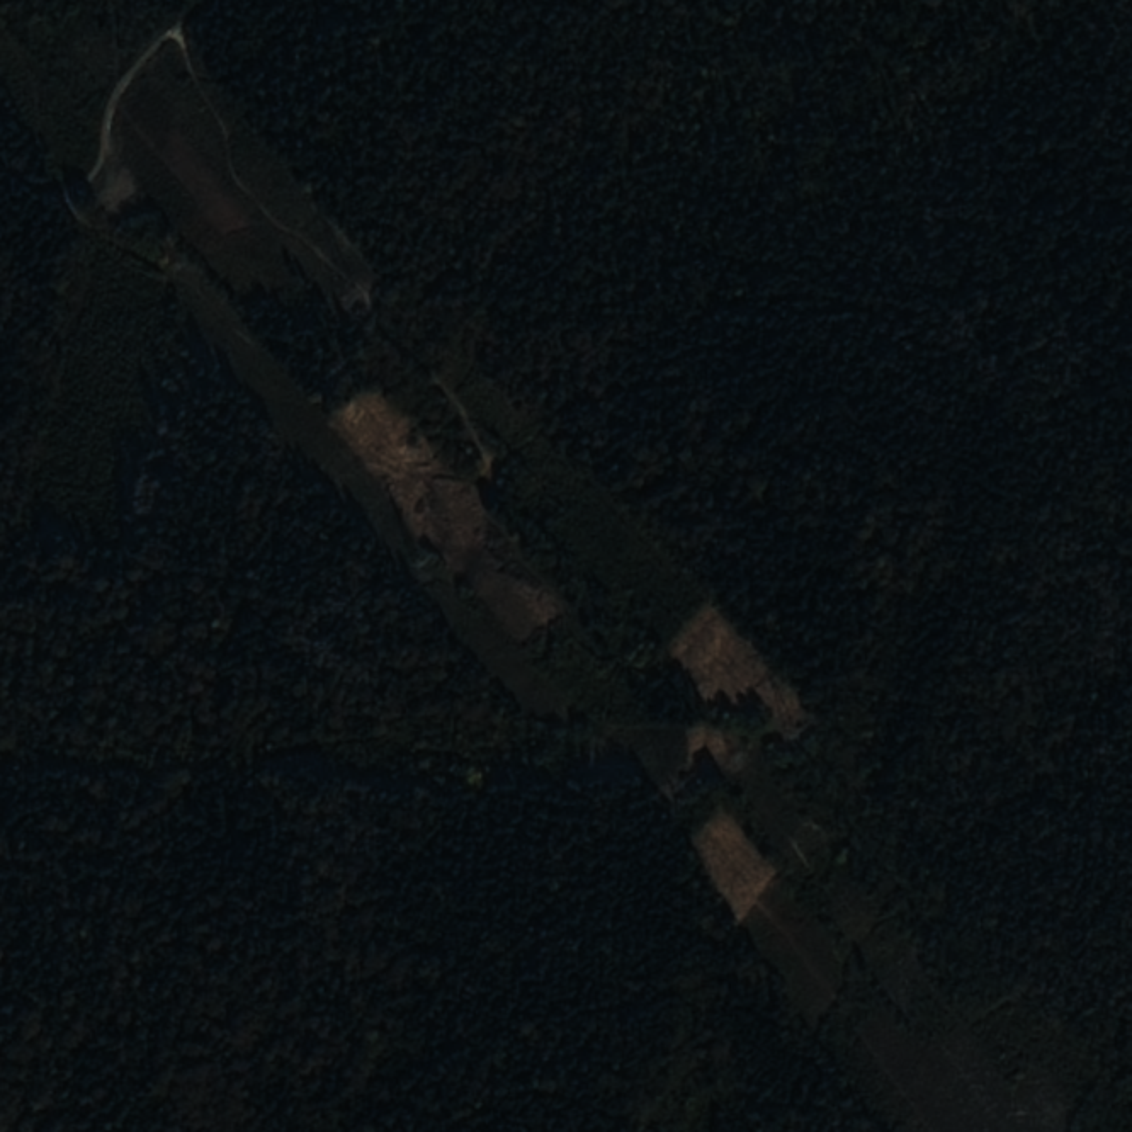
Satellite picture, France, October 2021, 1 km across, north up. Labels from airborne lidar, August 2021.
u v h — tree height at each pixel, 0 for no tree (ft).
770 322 83
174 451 83
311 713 61
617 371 84
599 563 22
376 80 59
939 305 97
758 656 32
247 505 70
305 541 80
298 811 87
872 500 84
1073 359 88
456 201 40
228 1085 62
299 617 65
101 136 0
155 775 45
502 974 92
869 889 22
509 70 54
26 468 22
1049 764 70
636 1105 81
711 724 22
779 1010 86
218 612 35
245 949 80
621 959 94
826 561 94
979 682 59
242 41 45
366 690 56
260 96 35
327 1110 43
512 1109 59
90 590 86
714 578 35
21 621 68
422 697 39
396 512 0
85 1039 43
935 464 105
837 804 47
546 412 53
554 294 65
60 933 69
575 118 54
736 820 45
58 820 72
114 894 66
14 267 80
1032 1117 0
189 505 90
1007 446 86
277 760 33
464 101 47
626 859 86
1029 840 61
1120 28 97
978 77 103
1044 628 56
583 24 43
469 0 55
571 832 69
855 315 96
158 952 53
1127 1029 51
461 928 100
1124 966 62
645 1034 82
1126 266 102
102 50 0
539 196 48
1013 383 89
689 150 71
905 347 55
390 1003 59
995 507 82
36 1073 60
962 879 69
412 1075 53
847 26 59
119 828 68
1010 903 64
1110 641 67
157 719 66
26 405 75
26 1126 54
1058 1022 42
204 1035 57
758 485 79
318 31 26
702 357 71
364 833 82
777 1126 63
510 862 84
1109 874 65
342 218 31
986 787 72
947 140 20
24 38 32
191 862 64
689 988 70
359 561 43
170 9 43
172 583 70
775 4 30
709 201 88
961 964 30
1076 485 60
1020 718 62
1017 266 85
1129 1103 26
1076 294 103
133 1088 48
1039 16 53
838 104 84
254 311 43
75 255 79
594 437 69
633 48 45
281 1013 71
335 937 70
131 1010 30
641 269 85
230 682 53
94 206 67
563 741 38
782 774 42
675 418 87
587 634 32
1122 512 75
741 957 80
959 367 91
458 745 18
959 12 21
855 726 51
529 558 34
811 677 60
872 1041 0
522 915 81
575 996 82
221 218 0
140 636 85
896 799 61
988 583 20
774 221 20
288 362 49
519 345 53
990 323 77
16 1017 80
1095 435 76
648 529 42
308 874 81
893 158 75
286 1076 48
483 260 52
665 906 90
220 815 84
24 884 59
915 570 78
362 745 29
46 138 0
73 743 47
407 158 49
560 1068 72
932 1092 0
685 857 77
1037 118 109
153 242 32
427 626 56
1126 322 38
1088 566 58
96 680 72
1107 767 53
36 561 53
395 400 64
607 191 78
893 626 61
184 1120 53
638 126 34
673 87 69
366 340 48
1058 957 59
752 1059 102
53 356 43
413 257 42
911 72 71
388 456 19
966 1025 24
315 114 68
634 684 27
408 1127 49
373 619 50
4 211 68
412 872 83
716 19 44
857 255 92
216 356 0
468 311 56
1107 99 89
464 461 71
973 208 104
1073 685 73
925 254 92
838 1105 73
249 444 53
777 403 87
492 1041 82
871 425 20
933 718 67
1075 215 21
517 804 93
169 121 0
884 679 67
